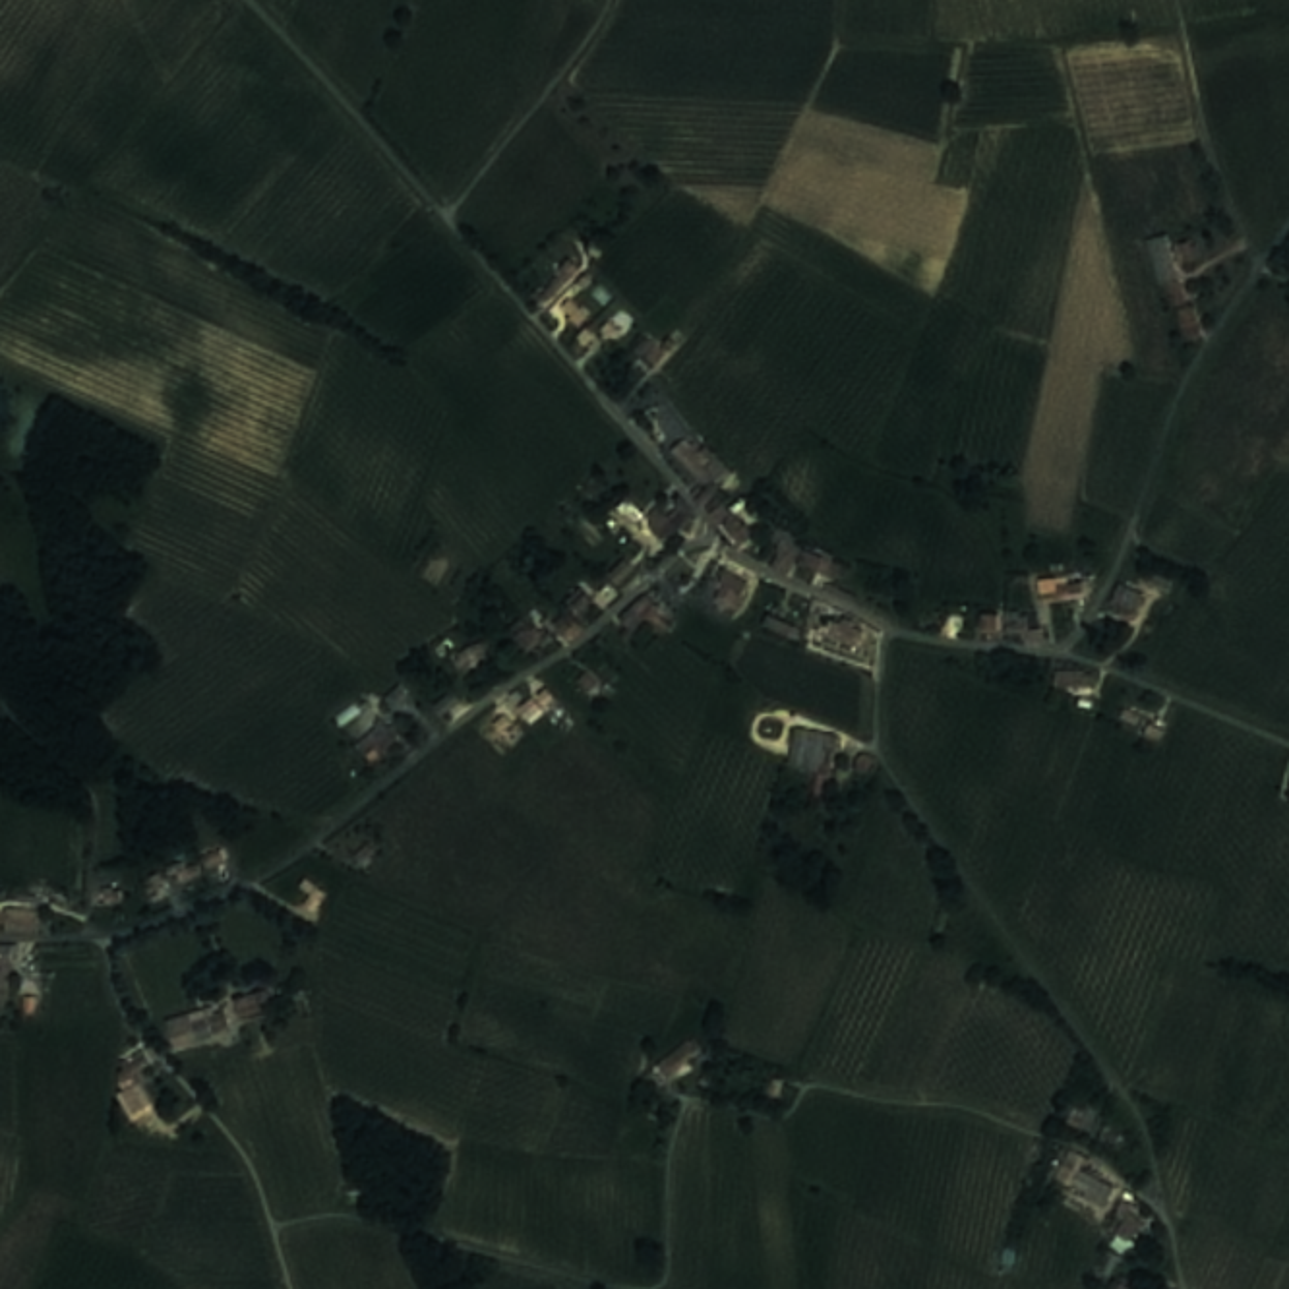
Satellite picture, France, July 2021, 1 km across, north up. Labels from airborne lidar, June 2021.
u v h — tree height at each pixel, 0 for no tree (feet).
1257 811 0
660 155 0
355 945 0
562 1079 22
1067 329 0
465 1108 0
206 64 0
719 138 0
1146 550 36
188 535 0
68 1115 0
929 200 0
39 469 55
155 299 0
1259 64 0
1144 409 0
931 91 0
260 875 0
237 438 0
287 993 18
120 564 52
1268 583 0
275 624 0
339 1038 0
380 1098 0
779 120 0
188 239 26
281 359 0
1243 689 0
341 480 0
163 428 0
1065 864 0
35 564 0
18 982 35
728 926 0
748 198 0
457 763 0
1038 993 47
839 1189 0
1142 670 55
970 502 56
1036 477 0
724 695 0
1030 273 0
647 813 0
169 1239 0
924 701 0
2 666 68
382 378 0
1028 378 0
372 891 0
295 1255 0
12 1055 0
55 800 61
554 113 0
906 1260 0
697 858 0
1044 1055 0
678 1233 0
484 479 0
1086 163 0
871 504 0
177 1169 0
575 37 0
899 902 0
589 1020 0
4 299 0
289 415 0
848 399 0
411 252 0
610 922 0
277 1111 0
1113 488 0
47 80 0
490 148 0
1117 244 0
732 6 0
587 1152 0
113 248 0
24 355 0
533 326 0
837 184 0
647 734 0
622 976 0
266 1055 0
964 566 0
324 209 0
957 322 0
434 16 0
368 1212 57
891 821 0
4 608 72
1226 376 0
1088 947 0
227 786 0
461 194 0
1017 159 0
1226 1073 0
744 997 0
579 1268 0
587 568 31
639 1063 0
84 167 0
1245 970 38
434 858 0
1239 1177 0
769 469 0
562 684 0
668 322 0
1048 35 0
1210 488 0
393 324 0
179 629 0
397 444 0
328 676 0
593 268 0
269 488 0
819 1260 0
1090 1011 0
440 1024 0
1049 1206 44
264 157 0
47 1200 0
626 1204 0
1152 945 0
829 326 0
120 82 0
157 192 0
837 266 0
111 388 0
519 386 0
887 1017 0
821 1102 0
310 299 39
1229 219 33
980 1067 0
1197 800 0
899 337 0
